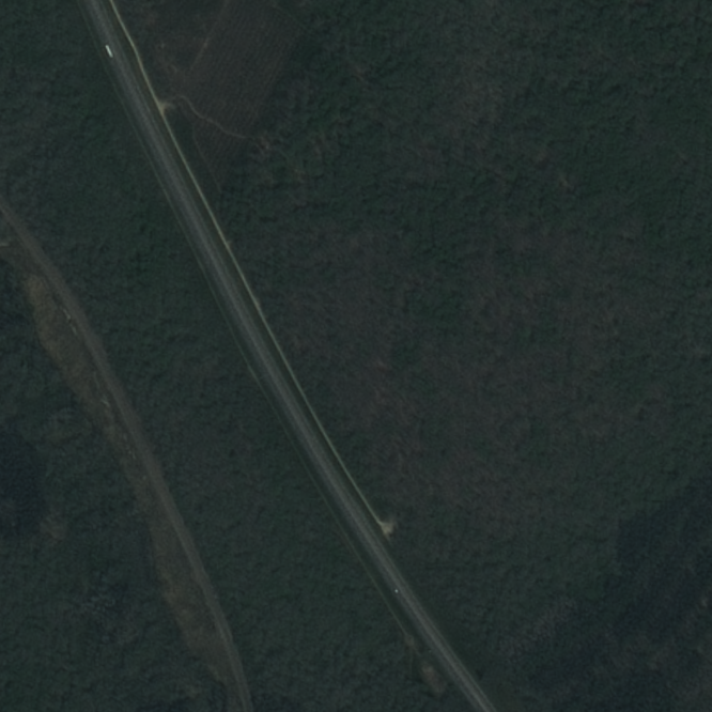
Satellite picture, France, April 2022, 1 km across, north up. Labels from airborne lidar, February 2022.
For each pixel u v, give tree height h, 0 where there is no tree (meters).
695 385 24
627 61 25
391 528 0
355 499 0
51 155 20
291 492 28
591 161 24
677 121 26
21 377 26
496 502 21
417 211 25
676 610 28
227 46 0
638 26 18
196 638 0
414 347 31
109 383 0
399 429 24
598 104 20
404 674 25
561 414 23
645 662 28
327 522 10
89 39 8
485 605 26
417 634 0
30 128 24
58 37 19
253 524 24
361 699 27
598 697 23
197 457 26
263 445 24
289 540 23
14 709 20
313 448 0
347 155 26
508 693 0
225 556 21
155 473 0
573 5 28
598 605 22
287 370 0
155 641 17
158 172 0
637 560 25
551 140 27
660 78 24
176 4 7
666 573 23
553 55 22
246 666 14
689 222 27
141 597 24
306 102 28
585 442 27
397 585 0
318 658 9
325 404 21
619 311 22
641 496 15
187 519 15
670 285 26
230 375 22
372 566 0
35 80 26
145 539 25
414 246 26
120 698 23
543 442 24
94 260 21
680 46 23
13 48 26
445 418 27
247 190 25
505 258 26
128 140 11
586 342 25
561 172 25
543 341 24
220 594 14
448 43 23
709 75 24
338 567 25
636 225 29
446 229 25
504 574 29
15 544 19
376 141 27
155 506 0
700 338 22
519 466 21
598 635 22
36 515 28
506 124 25
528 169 27
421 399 24
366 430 24
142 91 0
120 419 0
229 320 0
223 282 0
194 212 0
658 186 22
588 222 27
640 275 21
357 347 26
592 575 23
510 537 24
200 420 23
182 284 23
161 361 21
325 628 24
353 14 24
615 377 24
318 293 30
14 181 21
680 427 25
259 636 23
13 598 26
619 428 23
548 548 24
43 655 26
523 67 21
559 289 26
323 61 21
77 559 13
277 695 24
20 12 18
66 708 23
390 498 24
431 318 25
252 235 21
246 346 0
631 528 22
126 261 27
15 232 15
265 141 0
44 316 0
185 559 0
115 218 25
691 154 25
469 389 23
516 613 27
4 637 23
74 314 0
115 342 23
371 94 28
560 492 23
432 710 19
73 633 24
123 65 0
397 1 20
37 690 24
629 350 23
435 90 24
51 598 21
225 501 23
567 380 23
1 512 26
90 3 0
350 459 19
